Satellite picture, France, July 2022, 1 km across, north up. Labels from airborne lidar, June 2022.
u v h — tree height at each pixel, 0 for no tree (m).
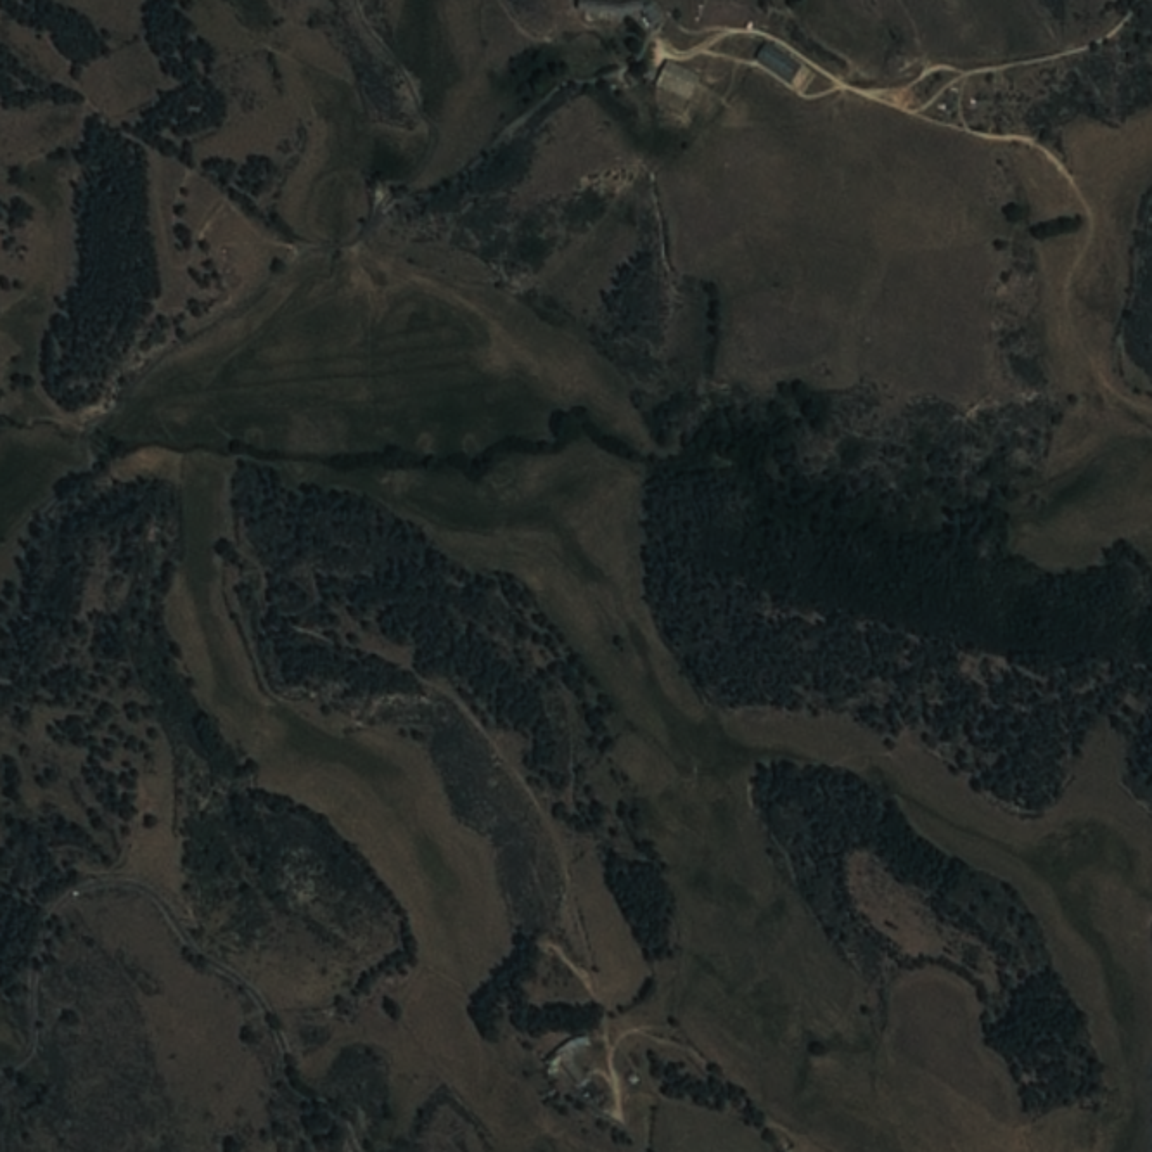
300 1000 0
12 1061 0
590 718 15
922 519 0
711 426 15
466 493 0
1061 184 0
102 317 15
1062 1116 0
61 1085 0
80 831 16
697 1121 0
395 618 10
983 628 6
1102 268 0
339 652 11
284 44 0
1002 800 15
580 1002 0
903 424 0
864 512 23
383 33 0
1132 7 9
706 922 0
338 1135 15
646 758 0
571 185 0
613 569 0
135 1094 0
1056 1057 12
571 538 0
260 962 0
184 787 0
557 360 0
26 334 0
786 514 8
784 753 0
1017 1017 21
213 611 0
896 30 0
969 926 13
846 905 11
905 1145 0
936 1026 0
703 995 0
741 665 15
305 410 0
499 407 0
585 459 0
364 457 6
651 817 0
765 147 0
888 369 0
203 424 0
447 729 0
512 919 0
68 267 0
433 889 0
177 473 0
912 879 14
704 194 0
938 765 0
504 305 0
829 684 17
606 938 0
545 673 15
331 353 0
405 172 0
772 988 0
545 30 0
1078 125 0
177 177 0
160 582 10
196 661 0
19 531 0
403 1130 0
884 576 9
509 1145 0
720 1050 0
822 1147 0
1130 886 0
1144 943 0
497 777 0
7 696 17
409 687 13
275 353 0
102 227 14
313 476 0
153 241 9
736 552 6
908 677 15
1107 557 16
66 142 0
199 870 10
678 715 0
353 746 0
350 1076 0
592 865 0
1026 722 17
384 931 0
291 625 12
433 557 20
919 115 0
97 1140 0
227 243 0
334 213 0
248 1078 0
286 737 0
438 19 0
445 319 0
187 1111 0
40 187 0
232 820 7
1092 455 0
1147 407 0
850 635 16
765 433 7
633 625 0
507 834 0
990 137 0
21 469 0
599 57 0
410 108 0
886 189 0
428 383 0
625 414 0
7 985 15
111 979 0
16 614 0
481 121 0
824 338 0
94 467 7
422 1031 0
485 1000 17
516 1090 0
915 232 0
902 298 0
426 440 0
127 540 15
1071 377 0
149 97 0
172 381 0
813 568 6
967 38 0
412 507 0
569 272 0
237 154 0
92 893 0
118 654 18
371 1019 0
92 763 13
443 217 0
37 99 14
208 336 0
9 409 0
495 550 0
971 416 0
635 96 0
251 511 12
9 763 14
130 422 0
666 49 0
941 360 0
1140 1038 0
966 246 0
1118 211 0
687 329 0
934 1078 0
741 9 0
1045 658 17
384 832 0
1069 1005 17
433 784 0
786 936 0
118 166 18
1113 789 0
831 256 0
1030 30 0
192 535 0
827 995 0
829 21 0
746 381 0
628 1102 0
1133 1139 0
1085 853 0
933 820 0
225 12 0
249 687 0
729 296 0
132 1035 0
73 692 11
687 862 0
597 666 0
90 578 0
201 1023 0
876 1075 0
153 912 0
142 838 0
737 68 0
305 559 14
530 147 0
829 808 13
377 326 0
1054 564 0
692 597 11
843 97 0
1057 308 0
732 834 0
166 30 21
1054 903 0
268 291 0
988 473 18
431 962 0
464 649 9
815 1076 0
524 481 0
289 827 0
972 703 13
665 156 0
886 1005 0
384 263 0
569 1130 0
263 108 0
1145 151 0
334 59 0
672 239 0
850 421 0
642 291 0
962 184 0
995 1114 0
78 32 17
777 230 0
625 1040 0
